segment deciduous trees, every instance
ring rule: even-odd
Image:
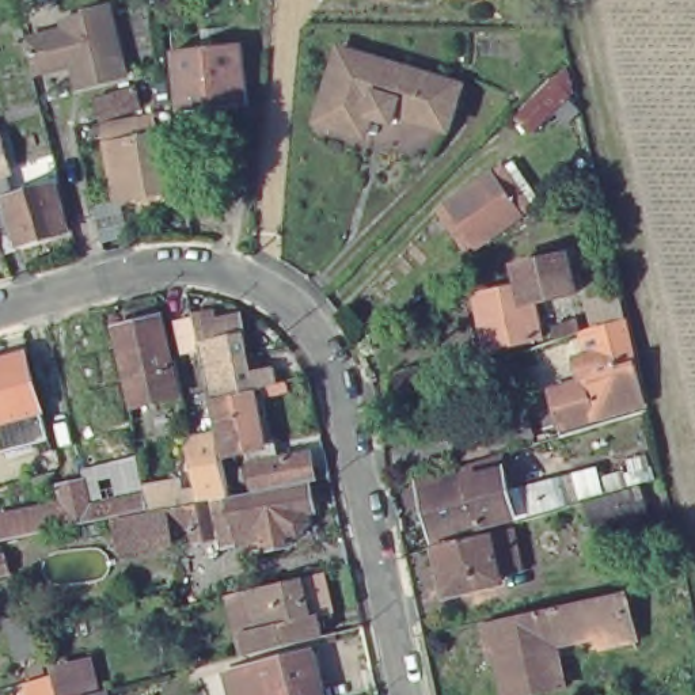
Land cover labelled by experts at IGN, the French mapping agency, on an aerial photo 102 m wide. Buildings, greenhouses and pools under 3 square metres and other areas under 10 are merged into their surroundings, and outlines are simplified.
[[[187,220],[201,220],[212,220],[212,214],[225,217],[228,212],[223,206],[223,193],[231,174],[231,163],[242,155],[244,144],[244,138],[233,130],[231,122],[225,111],[193,114],[182,106],[176,114],[168,117],[168,122],[160,119],[147,130],[147,152],[149,166],[160,182],[160,201],[138,209],[136,217],[125,223],[122,233],[133,244],[168,239],[163,225],[174,223],[176,214]]]
[[[581,559],[586,562],[586,570],[597,584],[616,584],[638,597],[652,600],[662,595],[671,586],[671,578],[676,576],[695,589],[695,548],[684,543],[676,532],[654,527],[643,535],[595,529],[592,538],[581,543]]]
[[[11,576],[5,586],[0,586],[0,622],[11,619],[27,627],[27,633],[33,635],[30,649],[35,662],[52,657],[54,643],[62,633],[84,635],[90,619],[103,619],[103,635],[111,633],[117,638],[125,633],[130,646],[144,649],[149,654],[166,654],[163,668],[174,668],[176,673],[193,671],[195,668],[185,654],[190,614],[182,608],[182,603],[187,603],[193,586],[182,584],[182,567],[174,570],[174,595],[157,592],[152,597],[136,597],[125,573],[106,578],[100,581],[106,586],[103,595],[95,597],[90,608],[73,608],[68,619],[52,611],[54,589],[52,584],[41,584],[33,584],[24,576]]]
[[[133,456],[138,462],[141,481],[157,481],[160,459],[156,448],[137,449]]]
[[[109,182],[103,168],[92,176],[92,182],[81,182],[76,187],[81,204],[98,206],[109,201]]]
[[[71,548],[76,538],[76,524],[62,516],[46,519],[41,524],[41,532],[33,535],[33,546],[49,554]]]
[[[204,24],[206,0],[125,0],[128,11],[147,14],[166,14],[174,22],[174,35],[187,30],[190,49],[209,30]]]
[[[443,453],[429,453],[429,459],[418,459],[418,464],[413,464],[410,470],[383,467],[383,489],[402,491],[407,489],[410,478],[437,481],[464,464],[464,456],[470,448],[494,440],[505,453],[535,456],[540,437],[557,437],[557,429],[548,429],[543,424],[548,410],[546,394],[529,383],[529,372],[535,372],[546,361],[546,356],[532,350],[529,345],[500,345],[486,364],[481,364],[467,345],[448,345],[445,339],[440,339],[440,320],[456,299],[470,301],[470,296],[481,288],[475,280],[475,269],[462,263],[453,271],[429,274],[424,288],[415,288],[405,307],[388,304],[388,309],[372,312],[369,318],[369,331],[361,342],[372,350],[377,345],[396,350],[415,348],[418,361],[418,372],[413,380],[418,391],[418,407],[396,402],[388,391],[386,391],[383,396],[364,399],[358,405],[358,424],[367,437],[380,434],[380,445],[386,448],[424,451],[432,448],[437,440],[451,440],[453,448]]]
[[[426,619],[421,619],[421,630],[437,630],[443,614],[459,614],[467,605],[464,600],[448,600],[429,611]]]
[[[14,22],[22,30],[30,22],[52,24],[62,0],[0,0],[0,24]]]
[[[592,280],[605,277],[600,296],[619,299],[622,288],[616,280],[614,261],[616,223],[605,209],[597,176],[584,176],[584,157],[573,155],[567,163],[559,163],[551,174],[543,176],[538,176],[538,171],[529,166],[524,155],[516,163],[516,168],[524,174],[535,193],[527,212],[535,223],[551,220],[554,225],[562,225],[570,214],[578,214],[576,242],[581,250],[581,261],[592,271]]]
[[[326,71],[326,54],[323,49],[299,49],[296,71],[318,90]]]
[[[16,478],[0,481],[0,510],[24,510],[30,505],[52,502],[54,486],[33,475],[30,464],[22,467]]]
[[[638,668],[624,668],[616,676],[619,695],[657,695],[652,687],[646,687],[643,673]]]

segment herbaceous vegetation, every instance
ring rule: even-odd
[[[494,597],[481,605],[467,605],[459,614],[443,614],[437,630],[421,630],[429,654],[434,695],[500,695],[497,671],[491,662],[483,662],[483,652],[478,643],[481,622],[508,619],[603,595],[627,597],[630,616],[635,624],[635,646],[611,652],[595,652],[589,646],[562,649],[559,660],[565,671],[565,687],[576,695],[619,695],[616,676],[624,668],[638,668],[643,673],[646,687],[652,687],[657,695],[695,695],[695,589],[676,576],[671,578],[671,586],[662,595],[652,600],[638,597],[616,584],[597,584],[586,570],[586,562],[581,559],[581,543],[592,538],[595,529],[589,524],[586,505],[581,497],[573,502],[570,510],[540,513],[529,524],[535,546],[535,573],[543,576],[543,584],[554,595],[519,603],[513,608],[505,600]]]
[[[95,581],[92,586],[84,584],[76,589],[54,589],[52,611],[68,619],[73,608],[90,608],[95,597],[103,595],[106,586],[100,581]]]
[[[204,611],[204,605],[198,603],[187,603],[182,603],[182,608],[190,614],[185,654],[195,668],[236,654],[231,638],[223,633],[228,616],[223,600],[212,611]]]
[[[318,619],[320,633],[315,641],[328,641],[337,649],[339,641],[356,638],[356,633],[361,630],[361,619],[356,608],[345,608],[339,581],[328,584],[331,611],[326,611]]]
[[[320,551],[326,543],[331,543],[326,527],[312,529],[309,524],[293,527],[293,532],[277,540],[271,551],[282,551],[282,557],[296,554],[304,559],[312,551]]]
[[[562,225],[554,225],[551,220],[535,223],[527,212],[516,214],[513,223],[494,242],[467,252],[445,231],[432,228],[437,204],[445,204],[453,193],[481,179],[491,168],[508,176],[505,166],[516,163],[524,155],[529,166],[538,171],[538,176],[543,176],[551,174],[559,163],[567,163],[573,155],[584,157],[584,176],[597,176],[605,209],[616,223],[614,261],[616,280],[622,288],[619,299],[635,350],[635,372],[643,391],[646,413],[638,421],[592,426],[578,429],[578,434],[573,437],[557,437],[540,437],[535,456],[597,456],[611,462],[611,472],[627,472],[627,459],[643,459],[652,467],[652,478],[641,483],[641,510],[654,527],[676,532],[684,543],[695,548],[695,405],[688,410],[685,403],[631,149],[622,147],[619,122],[611,117],[616,111],[616,98],[608,79],[600,16],[592,11],[595,0],[491,0],[494,22],[513,22],[519,24],[519,30],[478,30],[472,38],[472,54],[456,52],[453,30],[367,27],[361,38],[353,38],[345,24],[326,27],[309,19],[299,33],[299,49],[323,49],[326,54],[334,52],[339,43],[350,43],[350,49],[356,52],[421,68],[434,76],[456,79],[462,84],[462,95],[445,133],[440,133],[432,144],[424,144],[405,155],[399,185],[388,187],[386,171],[377,171],[375,179],[367,176],[372,155],[372,147],[358,147],[339,136],[318,133],[309,125],[318,90],[296,71],[293,100],[282,109],[290,111],[290,138],[285,144],[285,152],[280,155],[280,160],[288,166],[280,223],[282,261],[296,261],[307,271],[320,274],[326,280],[326,296],[331,299],[337,293],[342,304],[353,304],[356,318],[369,318],[372,312],[388,309],[388,304],[405,307],[415,288],[424,288],[429,274],[453,271],[462,263],[475,269],[475,280],[481,288],[505,285],[505,266],[510,258],[565,252],[570,280],[578,290],[584,288],[589,296],[600,296],[605,277],[592,280],[592,271],[581,261],[581,250],[576,242],[578,214],[570,214]],[[573,119],[567,125],[551,122],[538,133],[529,133],[524,125],[516,125],[519,109],[562,68],[570,79],[570,103],[578,109]]]
[[[386,391],[388,391],[399,361],[418,361],[415,348],[396,350],[377,345],[372,350],[361,342],[356,345],[356,350],[350,350],[358,372],[369,367],[372,377]]]
[[[470,301],[456,299],[440,320],[440,339],[445,339],[448,345],[467,345],[483,331],[472,320]]]
[[[128,695],[209,695],[204,681],[190,681],[193,671],[176,673],[174,679],[130,690]]]
[[[27,258],[46,252],[49,247],[71,242],[68,231],[41,236],[35,250],[14,252],[16,266],[22,266]]]
[[[130,646],[125,633],[117,638],[111,633],[103,635],[103,619],[90,619],[84,635],[62,633],[54,643],[52,657],[90,660],[98,681],[106,681],[109,668],[125,673],[125,679],[133,679],[155,668],[163,668],[166,654],[149,654],[144,649]]]
[[[128,73],[117,79],[117,87],[130,87],[133,81],[141,81],[133,65],[152,49],[147,14],[128,11],[125,0],[109,0],[119,54],[128,65]]]
[[[320,443],[318,418],[301,369],[290,372],[290,380],[285,383],[282,396],[269,396],[263,388],[255,391],[263,437],[274,443],[277,453],[285,456],[290,453],[290,445],[315,443]]]
[[[71,315],[60,323],[49,323],[41,339],[57,348],[65,369],[68,391],[62,394],[60,405],[68,407],[65,426],[76,448],[73,472],[79,475],[84,475],[87,467],[133,456],[137,449],[156,448],[160,459],[157,481],[171,478],[179,467],[174,456],[174,443],[179,437],[187,437],[198,432],[201,424],[201,410],[193,396],[198,377],[190,356],[182,356],[176,348],[174,320],[168,304],[179,301],[182,296],[182,288],[138,293],[128,301],[95,307],[81,315]],[[125,402],[117,353],[109,337],[109,320],[130,320],[155,312],[160,315],[168,364],[176,375],[182,399],[185,410],[168,421],[166,434],[160,434],[157,440],[149,440],[144,434],[138,410],[130,410]]]
[[[16,695],[19,687],[14,681],[3,681],[3,673],[14,662],[14,646],[8,635],[0,630],[0,695]]]
[[[328,16],[464,22],[470,19],[470,8],[478,0],[323,0],[320,8]]]
[[[52,155],[54,166],[68,160],[60,141],[60,128],[73,125],[81,182],[92,182],[92,176],[103,168],[98,141],[87,138],[90,117],[95,114],[92,92],[81,95],[52,87],[43,90],[43,79],[33,79],[30,73],[22,30],[14,22],[0,24],[0,117],[14,122],[22,133],[27,160]]]
[[[223,27],[220,33],[209,35],[214,46],[236,43],[242,52],[244,87],[236,90],[242,100],[236,106],[236,119],[231,122],[233,130],[244,138],[244,144],[242,155],[231,163],[231,174],[223,193],[223,206],[228,212],[236,201],[244,204],[258,201],[263,193],[266,176],[258,171],[255,163],[258,136],[266,133],[266,117],[282,103],[280,84],[274,81],[271,49],[277,0],[206,0],[204,24],[209,30]]]
[[[263,334],[258,328],[258,309],[225,296],[223,304],[214,304],[214,312],[242,315],[247,364],[255,369],[263,367],[269,356],[282,356],[285,345],[277,339],[271,328],[266,328]]]
[[[111,559],[106,578],[125,573],[136,597],[152,597],[157,592],[174,595],[174,570],[182,567],[185,554],[171,548],[171,540],[166,546],[133,551],[128,551],[114,535],[103,543],[103,551]]]
[[[33,535],[11,532],[11,538],[0,543],[0,554],[5,557],[11,576],[24,576],[33,584],[41,584],[39,565],[49,554],[33,546]]]

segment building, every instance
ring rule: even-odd
[[[456,79],[434,76],[421,68],[356,52],[350,49],[350,43],[339,43],[334,52],[326,54],[326,71],[318,90],[309,125],[318,133],[339,136],[358,147],[372,147],[372,155],[380,155],[386,149],[396,149],[405,155],[424,144],[432,144],[440,133],[445,133],[462,95],[462,84]]]
[[[5,586],[11,576],[5,557],[0,554],[0,586]]]
[[[0,448],[24,443],[35,451],[41,443],[46,443],[46,429],[41,402],[30,380],[27,356],[0,356]]]
[[[600,296],[589,296],[584,288],[578,290],[570,280],[565,252],[510,258],[505,266],[505,285],[481,288],[470,296],[470,301],[472,320],[483,331],[467,345],[481,364],[486,364],[500,345],[529,345],[532,350],[546,356],[551,348],[565,345],[570,339],[576,339],[584,348],[570,358],[570,364],[576,367],[573,380],[565,386],[551,383],[546,394],[548,410],[543,424],[548,429],[557,429],[557,437],[573,437],[578,434],[578,429],[592,426],[638,421],[646,413],[643,391],[635,372],[635,350],[619,299]],[[538,307],[554,304],[557,299],[565,299],[578,290],[586,315],[586,328],[578,326],[576,315],[557,315],[554,331],[543,334]]]
[[[223,633],[231,638],[236,654],[255,649],[261,643],[290,646],[301,641],[315,641],[320,633],[318,619],[326,611],[331,611],[328,584],[323,573],[318,573],[301,581],[277,581],[258,586],[244,592],[228,592],[223,600],[228,616]]]
[[[179,481],[171,478],[157,481],[141,481],[138,462],[133,456],[87,467],[84,475],[79,475],[68,483],[60,481],[54,486],[52,502],[30,505],[24,510],[0,510],[0,543],[11,538],[11,532],[33,535],[41,532],[41,524],[46,519],[62,516],[76,524],[76,538],[95,529],[103,543],[114,535],[128,551],[133,551],[166,546],[171,540],[171,548],[185,554],[190,551],[190,543],[201,538],[214,543],[233,543],[239,554],[247,548],[261,551],[271,551],[277,540],[293,532],[293,527],[309,524],[309,516],[315,513],[315,443],[290,445],[290,453],[285,456],[277,453],[274,443],[263,437],[255,391],[263,388],[269,396],[282,396],[285,383],[280,383],[271,369],[263,367],[255,369],[247,364],[242,315],[214,312],[193,312],[190,318],[174,320],[176,348],[182,356],[190,356],[198,377],[193,396],[201,410],[201,424],[198,432],[187,437],[185,472],[190,478],[190,489],[182,489]],[[220,462],[233,456],[242,456],[239,481],[247,486],[242,494],[231,494],[225,489],[220,470]]]
[[[603,595],[508,619],[481,622],[478,643],[483,652],[483,662],[491,662],[497,671],[500,695],[576,695],[565,687],[565,671],[559,660],[562,649],[589,646],[595,652],[611,652],[635,646],[635,624],[630,616],[627,597]]]
[[[494,597],[505,600],[513,592],[510,578],[524,578],[516,529],[521,524],[529,524],[540,513],[570,510],[573,502],[581,497],[586,505],[589,524],[595,529],[643,535],[654,527],[641,510],[641,483],[652,478],[652,467],[643,459],[627,459],[627,472],[611,472],[600,475],[597,470],[581,470],[567,478],[529,483],[527,489],[508,489],[505,467],[472,472],[464,464],[437,481],[410,478],[407,489],[402,491],[426,546],[415,557],[429,611],[448,600],[464,600],[467,605],[481,605]]]
[[[231,671],[223,676],[225,695],[320,695],[320,673],[315,654],[293,652],[250,665],[231,662]]]
[[[486,453],[505,453],[494,440],[470,448],[464,456],[481,459]]]
[[[160,315],[155,312],[130,320],[109,320],[109,337],[117,353],[125,402],[130,410],[138,410],[141,405],[182,399],[176,375],[168,364]]]
[[[90,660],[52,657],[35,662],[30,649],[33,635],[27,633],[27,627],[11,619],[0,622],[0,630],[8,635],[14,646],[14,662],[3,673],[3,681],[14,681],[19,687],[16,695],[100,695],[98,681]]]
[[[16,190],[11,190],[8,160],[3,155],[0,141],[0,280],[16,277],[16,266],[14,252],[35,250],[41,236],[68,231],[68,228],[57,193],[57,174],[52,171],[38,179],[22,179]]]
[[[396,402],[418,407],[418,391],[413,380],[418,372],[418,361],[399,361],[388,391]]]
[[[494,242],[513,223],[516,214],[527,212],[535,193],[524,174],[516,168],[516,163],[505,166],[508,176],[491,168],[481,179],[453,193],[445,204],[437,204],[432,228],[445,231],[467,252]]]
[[[524,125],[529,133],[538,133],[551,122],[567,125],[573,119],[578,109],[570,103],[570,79],[562,68],[519,109],[516,125]]]
[[[33,79],[43,79],[43,90],[52,87],[81,95],[92,92],[95,114],[90,117],[87,138],[98,141],[103,168],[109,182],[109,201],[98,206],[81,204],[84,220],[98,225],[103,242],[114,242],[122,233],[125,223],[136,217],[138,209],[160,201],[160,182],[149,166],[147,152],[147,130],[160,119],[168,122],[168,117],[176,114],[182,106],[193,114],[225,111],[231,122],[236,119],[236,106],[242,100],[236,90],[244,87],[242,52],[236,43],[214,46],[209,35],[220,33],[223,27],[209,30],[190,49],[168,52],[171,90],[152,95],[149,81],[141,81],[133,81],[130,87],[117,87],[117,79],[128,73],[128,65],[119,54],[109,0],[62,0],[52,24],[30,22],[22,30],[30,73]]]

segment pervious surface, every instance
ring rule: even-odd
[[[81,204],[76,187],[81,182],[73,125],[60,128],[60,141],[68,160],[54,166],[52,171],[57,174],[57,193],[68,228],[84,220]]]
[[[187,603],[198,603],[209,584],[217,584],[225,576],[239,576],[239,554],[233,543],[214,543],[201,538],[190,543],[190,551],[185,554],[182,567],[182,584],[193,586]]]
[[[155,250],[157,258],[166,258],[171,247],[198,252],[206,242],[168,239],[133,244],[138,252]]]
[[[282,551],[271,551],[261,551],[255,567],[258,586],[277,581],[301,581],[318,573],[320,562],[307,565],[304,559],[296,554],[282,557]]]
[[[223,236],[233,239],[236,244],[242,242],[242,225],[247,220],[244,204],[236,201],[228,212],[225,217],[212,214],[212,220],[201,220],[201,228],[220,231]]]
[[[57,443],[65,448],[65,472],[73,472],[76,448],[65,426],[68,407],[60,405],[62,394],[68,391],[65,369],[57,348],[41,339],[27,334],[19,320],[0,326],[0,356],[27,356],[30,380],[41,402],[46,429],[54,426]]]
[[[187,296],[182,296],[179,301],[168,304],[174,320],[190,318],[193,312],[214,312],[214,304],[223,304],[225,296],[212,290],[190,290]]]
[[[144,434],[149,440],[157,440],[160,434],[166,434],[168,421],[185,410],[182,399],[141,405],[138,410]]]

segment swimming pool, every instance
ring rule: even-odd
[[[95,529],[76,538],[71,548],[49,554],[39,565],[41,584],[52,584],[54,589],[76,589],[84,584],[92,586],[95,581],[100,581],[106,578],[111,559],[103,551],[103,543]]]

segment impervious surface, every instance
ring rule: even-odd
[[[33,475],[54,486],[60,481],[68,483],[79,475],[73,472],[65,472],[65,448],[57,443],[54,426],[46,429],[46,443],[41,443],[35,451],[24,443],[0,448],[0,481],[16,478],[22,467],[30,464]]]
[[[52,171],[54,166],[52,155],[27,160],[22,133],[14,122],[0,117],[0,141],[3,155],[8,160],[11,190],[16,190],[22,179],[38,179]]]
[[[190,489],[190,478],[185,472],[187,437],[179,437],[174,443],[174,456],[179,467],[171,478],[179,481],[182,489]]]
[[[551,383],[565,386],[573,380],[576,367],[570,364],[570,358],[584,348],[576,339],[570,339],[565,345],[551,348],[546,356],[546,361],[535,372],[529,372],[529,383],[546,394]]]
[[[399,185],[405,155],[396,149],[386,149],[380,155],[372,155],[367,176],[375,179],[377,171],[386,171],[388,187]]]
[[[220,462],[220,470],[225,489],[231,494],[242,494],[247,486],[239,481],[242,456],[233,456]]]
[[[543,576],[535,573],[535,546],[529,524],[521,524],[516,529],[524,578],[510,578],[513,592],[505,600],[513,608],[519,603],[554,595],[543,584]]]
[[[258,136],[255,163],[258,171],[266,176],[263,193],[258,201],[244,204],[247,220],[242,225],[242,242],[236,244],[233,239],[223,236],[220,242],[206,242],[198,252],[171,247],[166,258],[157,258],[155,250],[138,252],[133,244],[122,233],[114,242],[103,242],[98,225],[84,220],[68,228],[68,231],[71,242],[73,255],[79,261],[43,269],[35,274],[27,274],[27,269],[22,266],[16,266],[16,277],[0,280],[0,326],[19,320],[27,334],[41,339],[49,323],[60,323],[71,315],[81,315],[95,307],[128,301],[138,293],[182,288],[182,296],[187,296],[190,290],[212,290],[225,296],[258,309],[258,328],[263,334],[266,328],[271,328],[277,339],[285,345],[282,356],[269,356],[263,367],[271,369],[280,383],[285,383],[290,380],[290,372],[301,369],[318,418],[320,443],[315,443],[315,513],[309,516],[309,524],[312,529],[326,527],[331,543],[326,543],[320,551],[312,551],[304,559],[307,565],[320,562],[334,557],[348,562],[358,597],[356,608],[361,619],[361,630],[356,633],[356,638],[339,641],[337,649],[328,641],[315,641],[301,641],[290,646],[261,643],[255,649],[236,654],[195,668],[193,671],[190,681],[204,681],[209,695],[225,695],[223,676],[231,671],[231,662],[250,665],[293,652],[315,654],[320,673],[320,695],[434,695],[429,654],[421,630],[421,619],[426,619],[429,611],[415,557],[426,546],[402,491],[383,489],[383,467],[410,470],[413,464],[418,464],[418,459],[429,459],[429,453],[443,453],[453,448],[451,440],[437,440],[432,448],[424,451],[386,448],[380,445],[380,434],[367,437],[358,424],[358,405],[364,399],[383,396],[386,391],[372,377],[369,367],[358,372],[350,350],[342,337],[342,326],[334,320],[334,312],[342,304],[337,293],[331,299],[326,296],[326,280],[320,274],[307,271],[296,261],[282,261],[280,223],[288,166],[280,160],[280,155],[285,152],[285,144],[290,138],[290,111],[282,109],[293,100],[296,71],[299,49],[299,33],[309,19],[320,8],[323,0],[277,0],[271,49],[274,81],[280,84],[282,103],[266,117],[266,133]]]
[[[505,453],[486,453],[481,459],[464,456],[464,464],[472,472],[505,467],[508,489],[527,489],[529,483],[567,478],[581,470],[597,470],[600,475],[611,472],[611,462],[597,456],[535,456]]]
[[[557,299],[554,304],[538,307],[543,334],[554,331],[557,315],[576,315],[578,326],[586,328],[586,315],[578,290],[565,299]]]

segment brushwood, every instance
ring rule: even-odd
[[[187,220],[176,214],[174,223],[163,225],[168,239],[206,242],[220,242],[223,236],[220,231],[201,228],[201,220]]]
[[[358,597],[348,562],[334,557],[320,562],[318,573],[323,573],[328,584],[339,581],[345,608],[356,608]]]
[[[223,600],[228,592],[244,592],[258,586],[255,567],[261,551],[247,548],[239,554],[239,576],[225,576],[217,584],[209,584],[198,603],[204,605],[204,611],[212,611]]]
[[[519,30],[519,24],[513,22],[494,22],[491,0],[478,0],[470,8],[470,19],[464,22],[328,16],[320,8],[309,19],[326,27],[345,24],[353,38],[361,38],[367,27],[453,30],[456,52],[472,54],[472,38],[478,30]]]
[[[141,81],[149,81],[152,95],[171,90],[168,52],[190,49],[187,30],[174,35],[174,22],[166,14],[147,14],[152,49],[133,65]]]
[[[98,681],[100,695],[128,695],[130,690],[174,679],[176,673],[174,668],[163,668],[155,668],[133,679],[125,679],[125,673],[109,668],[106,681]]]
[[[27,269],[27,274],[35,274],[43,269],[79,261],[73,255],[71,242],[49,247],[46,252],[27,258],[22,266]]]
[[[369,318],[356,318],[353,304],[342,304],[334,312],[334,320],[342,326],[342,337],[350,350],[356,350],[356,345],[361,342],[369,331]]]

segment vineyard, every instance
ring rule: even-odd
[[[595,0],[592,11],[600,16],[608,79],[616,98],[616,111],[611,117],[619,122],[622,147],[631,149],[685,403],[688,410],[695,405],[695,0]]]

